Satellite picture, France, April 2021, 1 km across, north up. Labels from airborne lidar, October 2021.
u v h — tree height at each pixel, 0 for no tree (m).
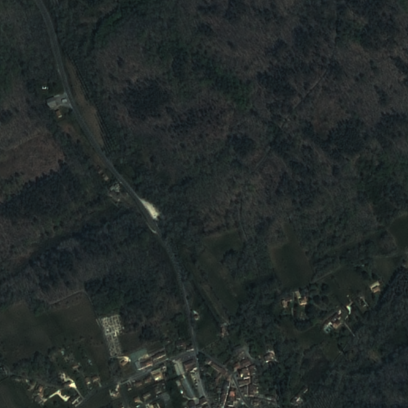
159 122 11
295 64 29
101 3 22
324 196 20
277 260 0
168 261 6
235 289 0
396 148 20
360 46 16
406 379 17
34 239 15
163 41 21
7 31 19
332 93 12
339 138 19
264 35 15
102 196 20
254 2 22
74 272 26
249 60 9
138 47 15
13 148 15
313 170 17
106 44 21
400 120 31
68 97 0
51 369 12
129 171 0
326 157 14
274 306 18
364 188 19
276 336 25
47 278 10
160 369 0
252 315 19
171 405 0
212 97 11
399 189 24
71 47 12
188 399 0
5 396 0
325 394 31
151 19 20
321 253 14
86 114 0
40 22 17
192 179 12
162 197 17
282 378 13
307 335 0
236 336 0
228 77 20
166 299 13
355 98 13
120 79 14
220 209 23
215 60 15
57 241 6
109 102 7
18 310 0
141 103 16
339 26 16
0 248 10
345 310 11
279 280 17
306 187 19
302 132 14
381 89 13
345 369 15
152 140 19
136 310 24
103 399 0
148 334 18
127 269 21
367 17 25
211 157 17
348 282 0
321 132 12
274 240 16
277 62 27
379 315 28
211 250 0
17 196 20
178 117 9
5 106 20
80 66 12
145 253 22
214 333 0
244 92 16
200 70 20
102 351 0
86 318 0
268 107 10
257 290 20
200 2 14
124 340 0
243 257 16
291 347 20
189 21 23
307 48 30
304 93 10
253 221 16
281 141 22
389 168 14
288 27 17
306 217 7
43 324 0
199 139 8
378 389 20
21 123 13
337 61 13
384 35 30
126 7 15
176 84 17
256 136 9
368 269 12
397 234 0
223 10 18
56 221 25
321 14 24
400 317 29
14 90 18
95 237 24
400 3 21
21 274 11
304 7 13
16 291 20
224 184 20
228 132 8
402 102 16
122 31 20
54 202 31
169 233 18
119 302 23
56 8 9
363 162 12
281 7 17
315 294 13
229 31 13
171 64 16
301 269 0
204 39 20
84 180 26
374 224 22
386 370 17
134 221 26
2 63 21
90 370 0
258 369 11
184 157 14
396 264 0
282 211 17
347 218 24
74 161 26
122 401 0
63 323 0
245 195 11
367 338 33
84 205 18
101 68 18
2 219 20
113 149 25
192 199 23
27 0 19
